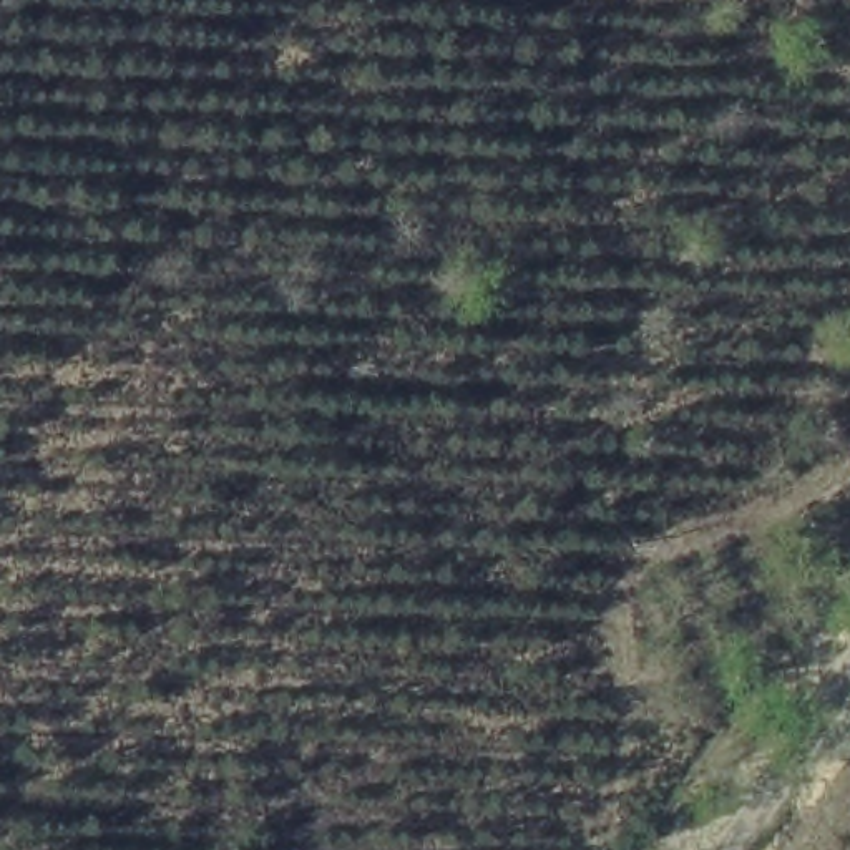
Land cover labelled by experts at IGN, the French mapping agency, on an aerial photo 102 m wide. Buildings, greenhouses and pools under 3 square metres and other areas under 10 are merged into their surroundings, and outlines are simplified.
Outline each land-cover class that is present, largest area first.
<instances>
[{"label":"brushwood","instance_id":"1","mask_svg":"<svg viewBox=\"0 0 850 850\"><path fill-rule=\"evenodd\" d=\"M269 17H232L60 7L37 0H0V23L56 20L123 27V40L116 43H66L50 37L0 40V56L53 53L70 60H103L100 76L0 70V86L43 93H106V110L66 103H0V120L33 116L46 123L146 126V139L139 143L93 136L0 139V153H56L116 163V173L0 169V186L30 183L50 193H70L73 186H86L93 193H120V206L103 213V226H110L106 239L0 236V485H37L43 491H70L76 471L53 478L43 471V462L37 458V442L30 438V425L63 418L66 425H73V432H93L103 428V418L70 415L63 385L53 375L13 379V365L23 359V352L50 355L60 365L76 355L90 365H110L139 362L143 342H156V365L183 372V388L173 395L176 422H159L156 438L149 442L103 445L106 468L120 471L113 505L96 511H63V521H176V538H113V545H106V554L123 564V578H103L100 591L123 594L126 608L120 614H103V624H136L139 631L166 628L189 624L199 638V647L246 644L242 628L252 614L239 608H219V611H209V614H206V611H203V594H206V591H236V594H292V608L286 614L269 618L262 624V634L305 631L312 628L408 638H475L471 651L425 654L422 664L452 667V681L445 684L402 677L398 654L382 647H309L305 654H299L302 687L309 697L342 694V707L289 711L286 740L299 744L309 727L335 724L352 730L422 734L415 754L405 764L408 770L505 767L508 774L548 770L561 777H571L574 770H604L608 757H548L541 750L515 754L511 760L481 757V750L468 744L465 730L452 721H405L392 711L395 697L458 701L462 707H475L485 714H538L551 707L564 701H598V691L584 674L558 671V684L545 691H525L508 684L505 667L495 657V638H531L568 641L571 634H591L604 624V614L611 608L628 604L634 598V574L624 558L588 551L558 554L548 568L554 571V584L528 588L518 584L525 564L515 554L498 558L488 551L465 554L455 548H442V531H491L508 538L591 535L638 541H654L661 535L654 521H638V511H641V508H667V511H677L681 518H684L721 511L724 495L674 491L671 475L744 478L764 475L770 462L797 475H807L813 468L807 458L797 462L790 455L787 428L794 415L787 408V398L797 395V385L804 379H820L850 388V365L843 369L830 362H810V345L820 319H850V262L780 269L740 266L734 272H724L717 262L681 259L644 256L638 246V226H515L481 222L478 216H315L266 209L183 213L169 206H149L143 203V196L179 189L226 196H319L335 203H372L388 199L382 186H372L375 169H455L452 153H395L398 136H481L531 143V156L525 159L468 156L471 169L505 176V186L491 193V199L498 203H571L574 209H611L618 203L614 193H591V176H667L721 183V193L657 196V209L687 213L711 209L717 216L721 246L730 256H737L740 249H833L850 256V229L843 236L770 232L764 226V216L780 209L797 219L830 216L850 226V133L823 136L817 146V166H794L787 173H774L770 196L757 199L740 196L737 183H757V166L704 163V149L797 153L790 139L780 133L784 120L850 126V100L767 103L730 93L647 96L591 90L571 96V103L564 106L568 123L561 126L485 120H382L369 116L372 103L452 110L455 103H471L495 110H531V93L438 86L352 90L342 83V70L379 66L382 73L455 70L511 76V56H392L379 50L319 53L312 60L319 66H329V80L315 83L282 80L279 50L169 46L139 40V27H173L239 37L282 33L296 43L335 37L415 40L428 37V27L402 20L398 7H495L505 10V27L471 23L455 37V43L535 40V73L551 80H750L777 86L784 80V70L774 63L770 40L757 33L737 30L714 33L707 27V13L717 7V0H269ZM614 13L674 20L687 17L691 33L671 37L647 30H618L611 27ZM601 46L711 50L714 63L618 66L611 60H601ZM123 56L169 63V73L126 76L120 73ZM153 93L279 96L286 100V110H149ZM618 110L687 113L707 116L711 123L707 133L634 126L604 129L594 123V116ZM163 126L249 129V143L236 149L166 146ZM571 139L628 143L631 156L574 159L568 156ZM296 159L305 166H322L319 179H269L272 166ZM286 229L369 232L379 239L375 249H289L282 242ZM458 246H475L485 266H501L505 282L498 289V299L491 302V319H445V296L432 286L375 282L369 269L388 266L438 272H445ZM46 256H116V272L90 276L46 269ZM159 256H186L196 259V266L193 272H186L179 286H163L149 279V266ZM305 259H312L315 266H339V279H312L309 299H372V315H325L292 309L229 312L226 299L232 296L282 299L276 289V276L262 272L266 262L292 266ZM558 269L651 272L677 276L684 282H770L760 299H697V332L687 342L694 349V359L681 362L677 375L750 379L747 395L701 398L697 402L701 412H744L740 428L691 425L671 415L654 425H611L601 418H588V405H578L584 392L564 385H511L505 382L501 369L515 362L518 369L535 372H591V359L584 355H528L515 339L584 335L588 342L631 339L641 329V315L654 309L651 292L568 286L541 289L538 276ZM7 282L37 289H80L90 299L86 305L10 302L3 296ZM528 305H621L624 319L548 322L528 319ZM43 319L129 322L133 329L110 352L106 342L86 345L76 335H46ZM229 325L325 329L329 345H232L226 342ZM382 332H442L465 339L485 335V352L445 355L425 349H395L382 342ZM249 392H322L395 402L452 398L458 402V415L382 422L365 415H322L315 408H213V395ZM266 425H302L312 432H325V442H266ZM677 442L737 445L740 452L734 462L714 465L704 458H674ZM226 458L405 468L402 481H369L362 488V498H385V511L365 515V525L372 531H415L422 535V551H372L345 545V525L339 521L332 501L322 498L319 485L276 475H229ZM521 468H571V488L525 481ZM591 471L654 475V488L624 495L588 488ZM179 488H213L216 505L209 511H183L173 498ZM352 564H402L408 571L452 568L455 581H355L349 571ZM588 571H598V574H614V578H618V588H608V591H578V588H574V578H578V574H588ZM156 588H186V604H183V608H153V604H149V591H156ZM322 598L521 601L581 604L591 611L584 621H465L415 614H332L322 611ZM471 199L468 186L455 183L425 189L418 203ZM73 206H30L23 199H0V219L53 226L70 222ZM50 545L46 538L37 535L0 548V554L43 558ZM86 787L106 784L123 790H149L159 784V774L153 770L136 774L90 767L73 770L63 780ZM196 794L189 800L186 823L169 817L163 820L143 800H123L110 804L100 820L53 823L50 850H219L216 830L222 827L226 804L222 777H199L193 784Z\"/></svg>","mask_w":850,"mask_h":850},{"label":"coniferous trees","instance_id":"2","mask_svg":"<svg viewBox=\"0 0 850 850\"><path fill-rule=\"evenodd\" d=\"M60 7L232 17H269V0H37ZM402 20L428 27V37L415 40L335 37L296 43L282 33L239 37L173 27H139V40L169 46L279 50L282 80L315 83L329 80V66H319L312 60L319 53L379 50L392 56H511V76L455 70L382 73L379 66L342 70V83L352 90L438 86L531 93V110H495L471 103H455L452 110L372 103L369 116L382 120H485L561 126L568 123L564 106L571 103V96L591 90L647 96L730 93L767 103L850 100V96L843 90L817 86V80L810 76H794L790 70H784V80L777 86L750 80H551L535 73V40L455 43V37L471 23L505 27V10L495 7H398ZM611 27L618 30H647L671 37L691 33L687 17L674 20L614 13ZM50 37L66 43H116L123 40V27L56 20L0 23V40ZM601 60H611L618 66L714 63L711 50L601 46ZM0 70L100 76L103 60H70L53 53L0 56ZM120 73L126 76L169 73V63L123 56ZM0 103H66L106 110V93H43L0 86ZM149 110H286V100L279 96L153 93ZM594 123L604 129L634 126L707 133L711 123L707 116L687 113L618 110L594 116ZM93 136L139 143L146 139V126L46 123L33 116L0 120V139ZM780 133L790 139L797 153L704 149V163L757 166V183H737L740 196L757 199L770 196L774 173H787L794 166H817V146L823 136L850 133V126L784 120ZM166 146L236 149L249 143V129L163 126ZM395 153H452L455 169H375L372 186H382L388 199L372 203H335L319 196H226L179 189L143 196V203L149 206H169L183 213L266 209L315 216H478L481 222L515 226H638V246L644 256L681 259L684 246L674 232L687 222V213L657 209V196L721 193V183L667 176H591V193H614L618 203L611 209H574L571 203H498L491 199V193L505 186V176L471 169L468 156L525 159L531 156V143L481 136H398ZM455 183L468 186L471 199L418 203L425 189ZM568 156L574 159L631 156L628 143L571 139ZM0 169L116 173V163L56 153H0ZM322 166H305L296 159L272 166L269 179H319ZM0 199H23L30 206H73L70 222L53 226L0 219V236L106 239L110 226H103V213L120 206V193H93L86 186H73L70 193H50L30 183L0 186ZM764 226L770 232L843 236L850 229V226L830 216L797 219L780 209L764 216ZM379 239L369 232L286 229L282 242L289 249H375ZM850 262V256L833 249H740L737 256H730L721 246L717 262L724 272H734L740 266L780 269ZM46 269L90 276L116 272V256H46ZM196 266V259L186 256H159L149 266V279L163 286H179L186 272H193ZM262 272L276 276V289L282 299L232 296L226 299L229 312L292 309L325 315H372V299H309L312 279H339V266H315L312 259H305L292 266L266 262ZM375 282L432 286L438 272L388 266L369 269ZM541 289L568 286L651 292L697 299H760L770 282H684L677 276L651 272L558 269L538 276ZM3 296L10 302L86 305L90 299L80 289H37L7 282ZM528 319L548 322L624 319L621 305H528ZM644 349L651 342L671 339V312L654 309L641 315V329ZM133 329L129 322L43 319L46 335H76L86 345L106 342L110 352ZM226 342L232 345H329L325 329L229 325ZM382 342L395 349H425L445 355L485 352V335L465 339L442 332H382ZM528 355H584L588 342L584 335L515 339ZM505 382L511 385H564L584 392L598 388V375L591 372H535L518 369L515 362L501 369ZM651 385L661 392H674L684 382H691L701 398L747 395L750 379L677 375L654 372L647 375ZM213 408H315L322 415H365L382 422L458 415V402L452 398L395 402L322 392H249L213 395ZM691 425L740 428L744 412H701L697 402L671 415ZM790 455L797 462L807 458H813L817 425L810 415H794L787 428ZM266 442H325V432H312L302 425H266ZM740 452L737 445L677 442L674 458H704L714 465L734 462ZM70 462L76 471L86 475L93 468H106L103 445L70 448ZM229 475H276L319 485L322 498L332 501L339 521L345 525V545L372 551H422V535L415 531H372L365 525V515L385 511V498H362V488L369 481H402L405 468L226 458ZM525 481L571 488V468H521ZM588 488L624 495L654 488V475L591 471ZM744 478L671 475L674 491L724 495L721 511H737L744 505ZM0 498L10 505L20 501L27 508H40L43 491L37 485H0ZM173 498L183 511H209L216 505L213 488H179ZM638 521H654L661 535H664V531H671L674 525H677V521H684V518H681L677 511H667V508H641V511H638ZM37 535L46 538H176V521H33ZM638 541L591 535L508 538L491 531H442V548H455L465 554L488 551L498 558L515 554L525 564L518 584L528 588L554 584V571L548 568L558 554L588 551L624 558L634 554ZM349 571L355 581H455L452 568L408 571L402 564H352ZM574 588H578V591H608V588H618V578H614V574H598V571H588V574H578V578H574ZM43 604L46 588L0 584V604ZM149 604H153V608H183V604H186V588H156V591H149ZM246 594H236V591H206V594H203V611H206V614H209V611H219V608H239ZM322 611L332 614H415L465 621H584L591 611L581 604L521 601L322 598ZM73 631L90 641H133L139 631L136 624H103V614L73 618ZM166 667L173 674H222L229 664L203 661L199 647V638L189 624L166 628ZM309 647H382L398 654L402 677L445 684L452 681V667L422 664L425 654L471 651L475 638H408L312 628L305 631ZM531 638H495V657L505 667L508 684L525 691H545L558 684V671L515 664L518 651H528ZM10 694L7 704H63L76 697V687H70L66 681L13 677L3 691ZM113 711L106 717L113 724V734L133 730L136 740L169 737L166 721L159 714L143 711L149 697L163 694L146 681H133V687H106ZM276 707L289 711L342 707V694L309 697L276 694ZM462 707L458 701L395 697L392 711L405 721H452ZM558 721H611V707L598 701H564L551 707ZM232 734H236V727H232V717H219V721H213V724H199V727H196V744H199V747H203V744H209L213 737H232ZM422 734L352 730L335 724L309 727L299 744L309 754H315L325 744L349 747L359 754L385 747L388 754L375 767L385 774L388 794L405 797L408 813L568 820V827L558 837L561 850H591L584 843L581 827H574L584 813L578 804H505L501 797L505 787L554 790L558 780H564V787H588L598 794L601 784L614 780L604 770H574L571 777H561L548 770L508 774L505 767L408 770L405 764L415 754ZM508 747L515 754L541 750L548 757H608V737H545L538 730L508 737ZM136 774L153 770L159 774V784L176 774V760L129 757ZM259 777H266V764L222 760V777L226 804L262 800V794H256L252 787ZM345 770L325 764L315 774L289 760L286 774L299 787H305L309 780L319 784L322 774L339 777ZM30 797L110 804L123 800V790L106 784L86 787L63 780H33L27 787ZM53 823L0 817V850H50ZM272 843L266 827H222L216 830L219 850H259ZM315 843L322 850H455V833L375 830L372 837H349L319 830Z\"/></svg>","mask_w":850,"mask_h":850},{"label":"bare soil","instance_id":"3","mask_svg":"<svg viewBox=\"0 0 850 850\"><path fill-rule=\"evenodd\" d=\"M53 375L63 385L70 415L103 418V428L93 432H73V425H66L63 418L30 425V438L37 442V458L43 462V471L53 478L76 471L70 462V448L103 445L149 442L156 438L159 422H176L173 395L183 388V372L156 365V342H143L139 362L110 365H90L76 355L60 365L50 355L23 352V359L13 365V379ZM787 408L794 415H810L817 425L813 458H807L813 468L807 475H797L770 462L764 475L744 478V505L737 511H721L684 518V521H677V525H674L671 531H664V535H661L654 541H638L634 554L624 558L634 574L647 561H674L691 551H721L727 538L750 541L760 528H770L784 515L807 521V508L813 501H833L850 488V388L820 379H804L797 385V395L787 398ZM120 471L106 468H93L86 475L76 471L70 491H43L40 508H27L20 501L10 505L0 498V548L37 535L33 521H63V511H96L113 505ZM50 545L43 558L0 554V584L46 588L43 604H0V817L53 823L100 820L110 804L30 797L27 787L33 780H63L73 770L90 767L136 774L129 757L176 760V774L159 784L149 790H123V800H143L163 820L169 817L186 823L189 800L196 794L193 784L199 777H222V760L266 764V777H259L252 787L256 794H262V800L226 804L222 827H266L272 843L259 850H322L315 843L319 830L349 837H372L375 830L455 833V850H561L558 837L568 827V820L408 813L405 797L388 794L385 774L375 767L388 754L385 747L359 754L349 747L325 744L315 754H309L299 744L286 740L289 711L276 707V694L309 697L302 687L299 654H305L309 647L305 631L262 634V624L269 618L286 614L292 608V594H246L239 608L252 614L242 628L246 644L199 647L203 661L229 664L222 674H173L166 667V628L139 631L133 641H90L73 631V618L103 614H120L126 608L123 594L100 591L103 578H123V564L106 554V545H113V538H46ZM13 677L66 681L70 687H76V697L63 704H7L10 694L3 691ZM133 681H146L163 694L149 697L143 711L159 714L166 721L169 737L136 740L133 730L113 734V724L106 717L113 711L106 687H133ZM219 717H232V727H236V734H232V737H213L209 744H203V747H199V744H196V727H199V724H213V721H219ZM289 760L315 774L325 764L345 770L339 777L322 774L319 784L309 780L305 787H299L286 774ZM515 664L558 671L584 674L598 691V701L611 707V721H558L551 707L538 714H485L475 707H462L452 721L465 730L468 744L481 750V757L511 760L515 754L508 747V737L538 730L545 737H608V757L604 770L614 780L601 784L598 794L588 787H564V780H558L554 790L505 787L501 797L505 804H578L584 813L574 827H581L584 843L591 850H614L611 843L621 833L624 813L614 804L624 790L618 777L651 767V754L634 750L638 737L661 730L657 724H651V717L661 711V697L651 684L664 681V667L651 661L638 667V638L628 604L611 608L604 614V624L591 634H571L568 641L531 638L528 651H518Z\"/></svg>","mask_w":850,"mask_h":850},{"label":"deciduous trees","instance_id":"4","mask_svg":"<svg viewBox=\"0 0 850 850\"><path fill-rule=\"evenodd\" d=\"M740 0H717V7L707 13V27L714 33L737 30ZM757 33L770 40L774 63L784 70H790L794 76H810L830 50L820 20H760ZM684 246L681 259L717 262L721 246L717 216L711 209L687 213V222L674 232ZM505 282L501 266H485L475 246H458L445 272H438L432 286L445 296V319H491V302L498 299V289ZM810 362H830L843 369L850 365V319H820L810 345ZM747 554L760 564L757 588L767 598V611L780 621V634L790 644L804 647L810 628H827L833 641L850 634V558L833 541H810L807 521L784 515L770 528H760L750 541ZM691 591L681 581L674 561H647L634 574V598L628 604L638 638V667L651 661L664 667V681L651 684L661 697H677V704L697 711L704 707V694L694 687L684 644ZM740 598V581L730 578L711 584L704 611V638L714 654L717 681L724 684L734 711L730 724L750 744L767 740L770 734L787 737V747H780L770 760L777 777L787 767H794L800 750L830 721L837 707H827L817 691H790L787 684L770 681V674L764 671V661L754 651L750 638L737 631L730 621V611ZM681 807L694 813L697 827L711 823L714 817L734 813L740 807L734 797V784L717 780L707 794H694L691 787L677 790ZM624 813L621 833L611 843L614 850H654L664 837L657 830V810L644 797L624 790L614 804Z\"/></svg>","mask_w":850,"mask_h":850},{"label":"herbaceous vegetation","instance_id":"5","mask_svg":"<svg viewBox=\"0 0 850 850\"><path fill-rule=\"evenodd\" d=\"M820 20L830 50L810 76L817 80V86L843 90L850 96V0H740L737 30L757 33L760 20ZM697 299L651 292L654 309L671 312V339L651 342L644 349L641 329L631 339L588 342L584 355L591 359V372L598 375V388L584 392L578 405H588V418H601L611 425H654L671 415L697 402L701 398L691 382H684L674 392H661L651 385L647 375L654 372L677 375L681 362L694 359V349L687 342L697 332ZM810 541H833L850 558V488L833 501H813L807 508V521ZM750 541L727 538L721 551H691L674 561L681 581L691 591L684 644L694 687L704 694V707L697 711L677 704V697H661V711L651 717V724H657L661 730L638 737L634 750L651 754V767L618 777L624 790L644 797L657 810V817L664 810L681 807L677 790L691 787L694 794H707L717 780L734 784L737 767L750 760L757 747L770 760L780 747H787V737L770 734L767 740L750 744L730 724L734 711L724 684L717 681L714 654L704 638V611L711 584L730 578L740 581V598L730 611V621L737 631L750 638L754 651L764 661V671L770 674L780 667V654L790 644L780 634V621L767 611V598L757 588L760 564L747 554ZM797 843L804 850H850V770L820 797L817 807L797 810Z\"/></svg>","mask_w":850,"mask_h":850},{"label":"pervious surface","instance_id":"6","mask_svg":"<svg viewBox=\"0 0 850 850\"><path fill-rule=\"evenodd\" d=\"M770 681L787 684L790 691H817L827 707H837L830 721L800 750L794 767H787L777 777L770 760L757 747L750 760L737 767L734 784V797L740 807L734 813L714 817L711 823L697 827L694 813L681 807L664 810L657 817V830L664 837L654 850H804L797 843V810L817 807L820 797L850 770V634L833 641L827 628H810L804 647L790 644L780 654V667L770 674Z\"/></svg>","mask_w":850,"mask_h":850}]
</instances>
